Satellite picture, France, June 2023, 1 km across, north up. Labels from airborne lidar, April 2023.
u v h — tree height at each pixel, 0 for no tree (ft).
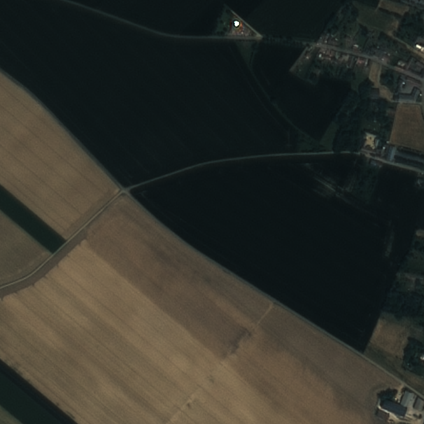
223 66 0
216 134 0
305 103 0
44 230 0
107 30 0
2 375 0
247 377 0
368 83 42
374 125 0
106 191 0
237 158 0
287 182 0
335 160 0
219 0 0
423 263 0
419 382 0
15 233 0
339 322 0
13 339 0
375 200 0
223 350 0
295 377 0
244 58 0
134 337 0
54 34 0
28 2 0
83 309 0
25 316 0
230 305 0
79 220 0
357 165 0
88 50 0
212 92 0
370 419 0
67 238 0
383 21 0
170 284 0
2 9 0
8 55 0
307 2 0
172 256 0
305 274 0
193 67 0
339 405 0
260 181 0
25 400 0
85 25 0
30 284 0
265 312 0
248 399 0
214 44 0
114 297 0
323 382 0
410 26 40
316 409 0
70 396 0
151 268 0
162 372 0
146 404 0
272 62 0
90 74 0
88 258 0
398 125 0
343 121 54
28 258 0
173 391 0
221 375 0
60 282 0
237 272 0
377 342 0
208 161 0
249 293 0
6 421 0
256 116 0
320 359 0
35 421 0
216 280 0
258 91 0
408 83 0
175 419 0
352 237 0
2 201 0
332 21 41
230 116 0
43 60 0
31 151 0
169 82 0
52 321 0
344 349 0
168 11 0
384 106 67
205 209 0
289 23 0
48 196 0
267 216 0
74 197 0
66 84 0
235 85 0
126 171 0
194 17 0
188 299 0
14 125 0
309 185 0
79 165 0
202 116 0
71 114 0
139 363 0
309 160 0
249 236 0
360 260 0
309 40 0
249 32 0
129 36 0
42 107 0
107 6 0
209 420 0
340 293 0
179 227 0
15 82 0
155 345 0
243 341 0
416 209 0
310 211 0
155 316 0
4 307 0
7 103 0
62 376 0
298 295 0
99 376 0
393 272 0
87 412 0
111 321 0
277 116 0
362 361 0
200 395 0
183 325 0
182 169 0
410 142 0
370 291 0
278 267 0
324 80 0
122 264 0
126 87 0
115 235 0
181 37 0
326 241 0
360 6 0
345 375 0
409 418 0
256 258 0
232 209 0
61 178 0
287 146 0
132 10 0
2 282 0
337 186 0
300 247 0
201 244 0
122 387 0
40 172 0
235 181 0
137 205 0
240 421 0
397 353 0
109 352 0
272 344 0
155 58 0
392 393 48
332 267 0
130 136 0
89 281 0
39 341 0
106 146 0
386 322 0
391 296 33
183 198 0
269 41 28
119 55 0
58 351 0
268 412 0
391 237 0
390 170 0
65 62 0
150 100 0
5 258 0
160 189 0
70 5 0
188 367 0
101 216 0
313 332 0
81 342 0
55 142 0
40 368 0
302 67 0
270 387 0
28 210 0
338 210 0
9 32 0
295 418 0
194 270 0
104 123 0
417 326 0
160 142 0
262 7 0
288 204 0
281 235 0
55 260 0
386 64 0
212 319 0
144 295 0
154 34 0
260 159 0
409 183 0
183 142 0
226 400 0
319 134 0
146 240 0
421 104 0
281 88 0
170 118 0
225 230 0
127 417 0
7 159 0
